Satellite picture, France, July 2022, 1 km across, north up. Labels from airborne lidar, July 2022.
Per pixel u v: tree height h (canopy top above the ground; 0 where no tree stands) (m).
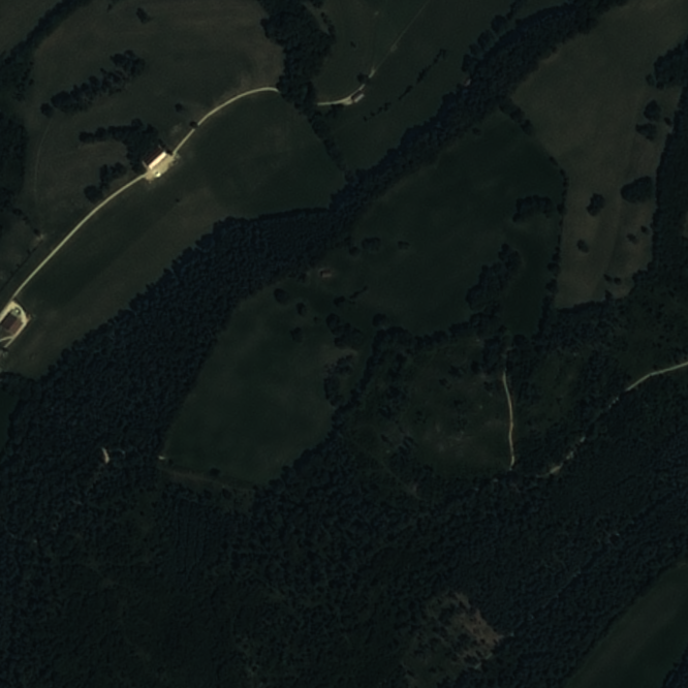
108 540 9
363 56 0
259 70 0
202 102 0
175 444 0
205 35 0
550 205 20
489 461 0
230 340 0
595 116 0
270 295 0
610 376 9
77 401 17
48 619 9
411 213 0
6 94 12
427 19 0
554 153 0
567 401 0
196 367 17
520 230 0
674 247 26
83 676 9
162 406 23
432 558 8
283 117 0
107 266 0
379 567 11
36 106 0
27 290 0
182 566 15
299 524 28
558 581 21
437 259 0
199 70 0
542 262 0
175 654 9
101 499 20
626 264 0
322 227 20
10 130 19
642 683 0
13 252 0
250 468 0
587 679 0
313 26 18
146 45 0
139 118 0
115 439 16
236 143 0
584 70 0
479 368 20
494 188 0
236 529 24
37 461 20
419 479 8
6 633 19
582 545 24
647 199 15
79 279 0
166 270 0
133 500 13
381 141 0
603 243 0
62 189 0
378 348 16
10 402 0
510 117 14
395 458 7
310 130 0
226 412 0
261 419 0
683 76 18
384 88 0
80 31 0
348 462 28
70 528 17
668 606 0
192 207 0
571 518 21
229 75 0
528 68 25
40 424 18
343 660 7
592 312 22
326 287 0
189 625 9
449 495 11
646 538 29
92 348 19
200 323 21
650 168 0
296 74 25
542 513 22
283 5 16
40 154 0
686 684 23
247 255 20
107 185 13
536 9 0
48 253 0
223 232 26
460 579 22
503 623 22
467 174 0
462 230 0
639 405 18
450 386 25
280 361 0
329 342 0
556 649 33
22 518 23
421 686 0
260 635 11
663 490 21
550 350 23
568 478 15
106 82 7
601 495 16
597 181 0
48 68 0
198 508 19
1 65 19
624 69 0
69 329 0
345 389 0
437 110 0
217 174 0
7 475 17
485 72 25
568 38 20
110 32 0
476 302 21
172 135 0
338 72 0
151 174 0
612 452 19
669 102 0
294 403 0
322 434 0
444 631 17
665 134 0
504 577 18
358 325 0
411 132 0
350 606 9
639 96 0
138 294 0
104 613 12
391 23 0
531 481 24
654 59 0
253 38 0
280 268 23
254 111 0
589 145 0
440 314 0
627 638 0
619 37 0
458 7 0
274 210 0
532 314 0
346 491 31
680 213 25
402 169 23
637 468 19
